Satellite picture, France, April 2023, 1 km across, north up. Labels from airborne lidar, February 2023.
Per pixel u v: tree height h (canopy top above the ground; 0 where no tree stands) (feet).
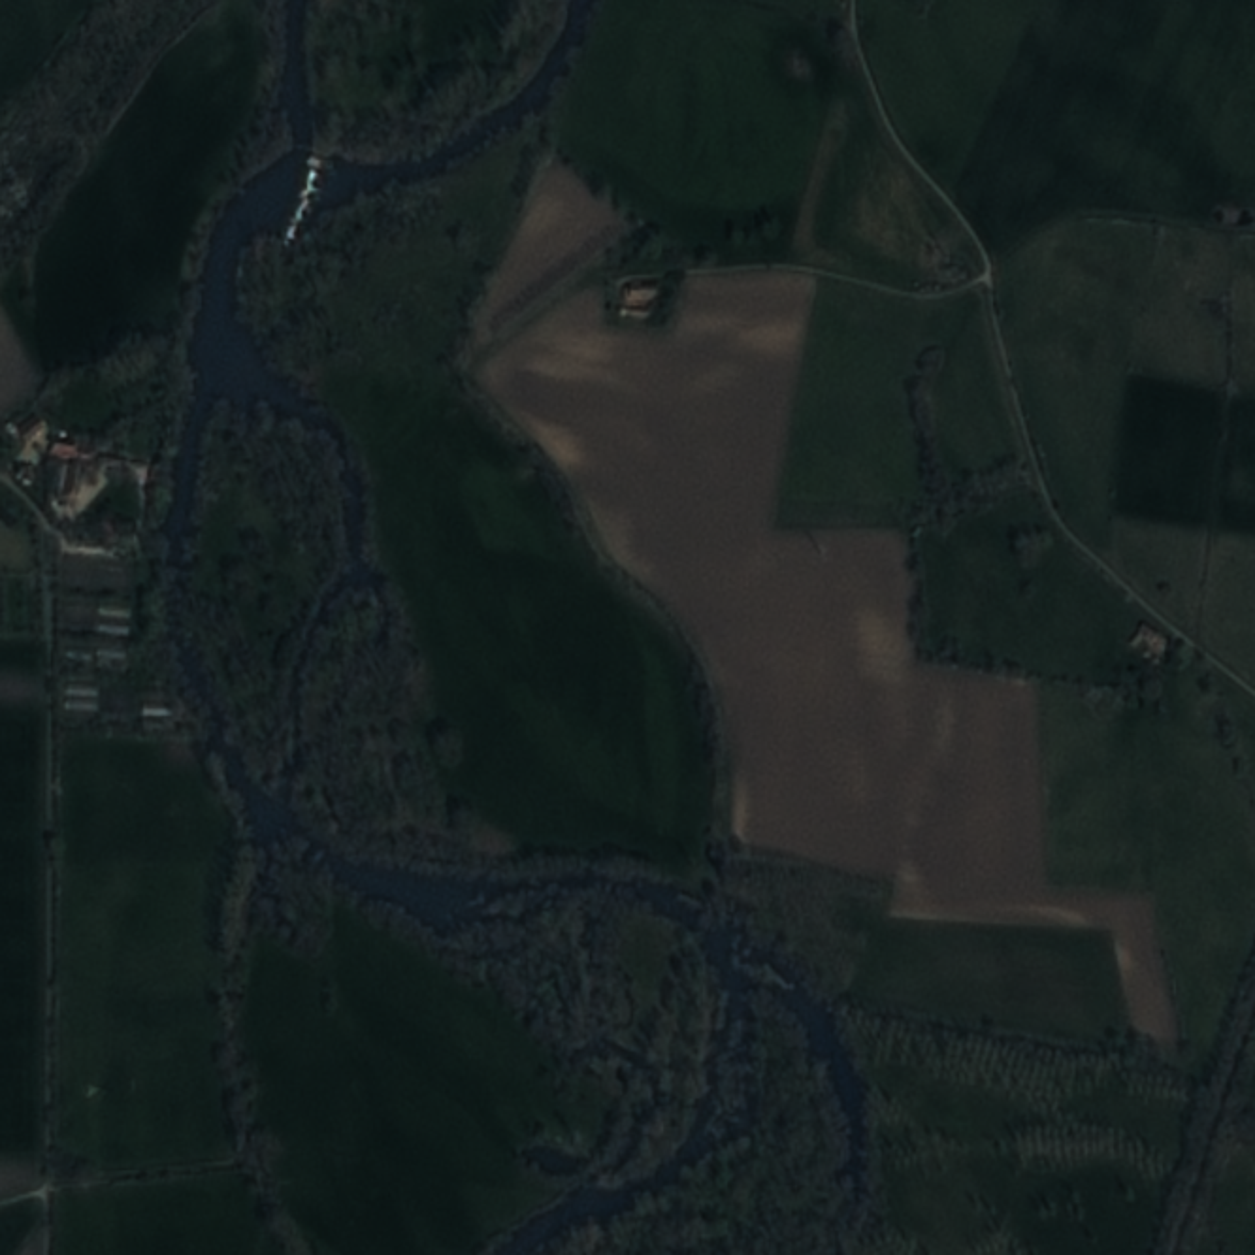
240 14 0
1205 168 0
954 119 0
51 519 22
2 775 0
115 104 70
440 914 0
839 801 0
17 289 0
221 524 0
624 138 0
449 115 108
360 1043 0
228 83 0
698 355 0
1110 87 0
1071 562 0
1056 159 0
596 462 0
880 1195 31
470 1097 0
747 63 0
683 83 0
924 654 26
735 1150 66
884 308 0
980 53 0
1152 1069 62
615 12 0
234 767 0
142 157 0
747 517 0
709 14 0
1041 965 0
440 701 0
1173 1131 0
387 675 69
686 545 0
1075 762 0
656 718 0
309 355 63
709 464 0
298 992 0
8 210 24
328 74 78
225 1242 0
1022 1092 97
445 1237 0
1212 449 0
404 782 49
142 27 59
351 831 49
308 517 56
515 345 0
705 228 0
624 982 31
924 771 0
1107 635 0
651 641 0
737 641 0
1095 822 0
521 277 0
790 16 0
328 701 20
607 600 0
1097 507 0
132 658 56
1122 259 0
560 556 0
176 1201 0
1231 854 0
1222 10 0
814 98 0
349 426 0
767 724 0
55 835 22
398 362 0
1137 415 0
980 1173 0
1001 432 0
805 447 0
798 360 0
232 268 0
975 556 0
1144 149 0
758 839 0
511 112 0
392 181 30
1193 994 0
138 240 0
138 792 0
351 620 79
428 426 0
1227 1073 35
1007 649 0
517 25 99
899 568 0
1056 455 0
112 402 24
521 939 52
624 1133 60
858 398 0
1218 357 0
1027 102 0
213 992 0
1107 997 0
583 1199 0
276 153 65
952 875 0
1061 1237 0
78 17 0
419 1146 0
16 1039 0
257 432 63
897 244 0
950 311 0
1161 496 0
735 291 0
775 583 0
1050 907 0
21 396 0
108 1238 0
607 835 0
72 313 0
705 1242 82
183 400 53
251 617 0
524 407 0
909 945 0
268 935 61
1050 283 0
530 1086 0
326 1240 0
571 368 0
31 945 0
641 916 62
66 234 0
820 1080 92
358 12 58
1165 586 20
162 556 57
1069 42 0
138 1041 0
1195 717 0
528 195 64
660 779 0
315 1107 0
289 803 28
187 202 0
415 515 0
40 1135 0
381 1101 0
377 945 0
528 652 0
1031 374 0
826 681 0
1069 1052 26
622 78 0
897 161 0
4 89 0
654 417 0
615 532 0
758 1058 57
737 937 22
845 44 62
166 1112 0
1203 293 0
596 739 0
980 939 0
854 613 0
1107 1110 0
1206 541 0
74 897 0
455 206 0
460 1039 0
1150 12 0
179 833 0
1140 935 0
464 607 0
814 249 0
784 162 0
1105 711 0
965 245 0
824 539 0
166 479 54
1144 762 0
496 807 0
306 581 0
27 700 0
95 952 0
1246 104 0
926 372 42
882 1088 0
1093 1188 0
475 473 0
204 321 0
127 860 0
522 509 0
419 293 0
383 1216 0
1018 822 0
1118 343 0
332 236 47
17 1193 0
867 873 0
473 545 0
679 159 0
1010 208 0
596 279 0
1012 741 0
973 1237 0
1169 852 0
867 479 0
